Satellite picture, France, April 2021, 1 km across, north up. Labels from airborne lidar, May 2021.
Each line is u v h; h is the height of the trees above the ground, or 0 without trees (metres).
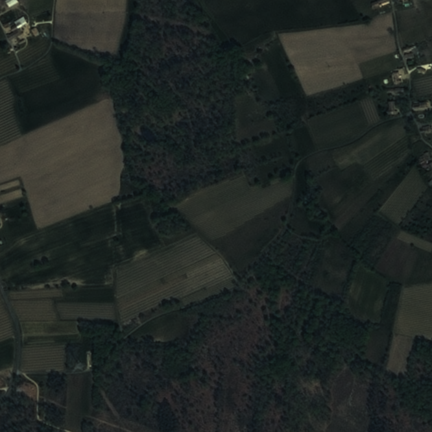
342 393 0
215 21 0
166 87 22
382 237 9
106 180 0
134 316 0
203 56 19
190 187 20
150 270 0
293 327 12
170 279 0
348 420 0
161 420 17
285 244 6
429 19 0
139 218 0
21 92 0
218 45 16
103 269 0
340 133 0
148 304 0
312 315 14
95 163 0
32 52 0
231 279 0
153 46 17
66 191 0
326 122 0
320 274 0
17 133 0
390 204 0
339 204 0
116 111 12
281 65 0
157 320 0
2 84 0
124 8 0
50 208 0
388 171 0
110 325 18
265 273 14
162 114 16
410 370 15
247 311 10
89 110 0
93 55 18
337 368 17
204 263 0
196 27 12
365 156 0
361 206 0
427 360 21
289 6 0
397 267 0
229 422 0
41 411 12
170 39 17
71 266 0
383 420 7
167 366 14
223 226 0
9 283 0
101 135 0
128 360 15
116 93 19
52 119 0
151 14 8
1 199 0
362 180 0
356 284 0
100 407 17
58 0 0
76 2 0
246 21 0
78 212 0
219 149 13
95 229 0
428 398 16
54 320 0
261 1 0
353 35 0
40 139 0
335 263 0
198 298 0
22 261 0
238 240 0
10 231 0
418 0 0
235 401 0
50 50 0
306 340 23
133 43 19
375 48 0
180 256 0
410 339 0
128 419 41
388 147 0
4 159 0
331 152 0
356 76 0
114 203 13
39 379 0
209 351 10
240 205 0
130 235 0
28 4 0
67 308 0
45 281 0
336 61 0
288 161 0
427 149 0
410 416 9
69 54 0
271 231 0
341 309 23
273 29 0
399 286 6
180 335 0
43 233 0
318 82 0
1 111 0
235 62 23
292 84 0
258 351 23
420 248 0
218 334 9
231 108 17
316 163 0
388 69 0
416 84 0
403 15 0
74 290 10
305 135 0
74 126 0
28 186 0
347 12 0
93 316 0
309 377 18
